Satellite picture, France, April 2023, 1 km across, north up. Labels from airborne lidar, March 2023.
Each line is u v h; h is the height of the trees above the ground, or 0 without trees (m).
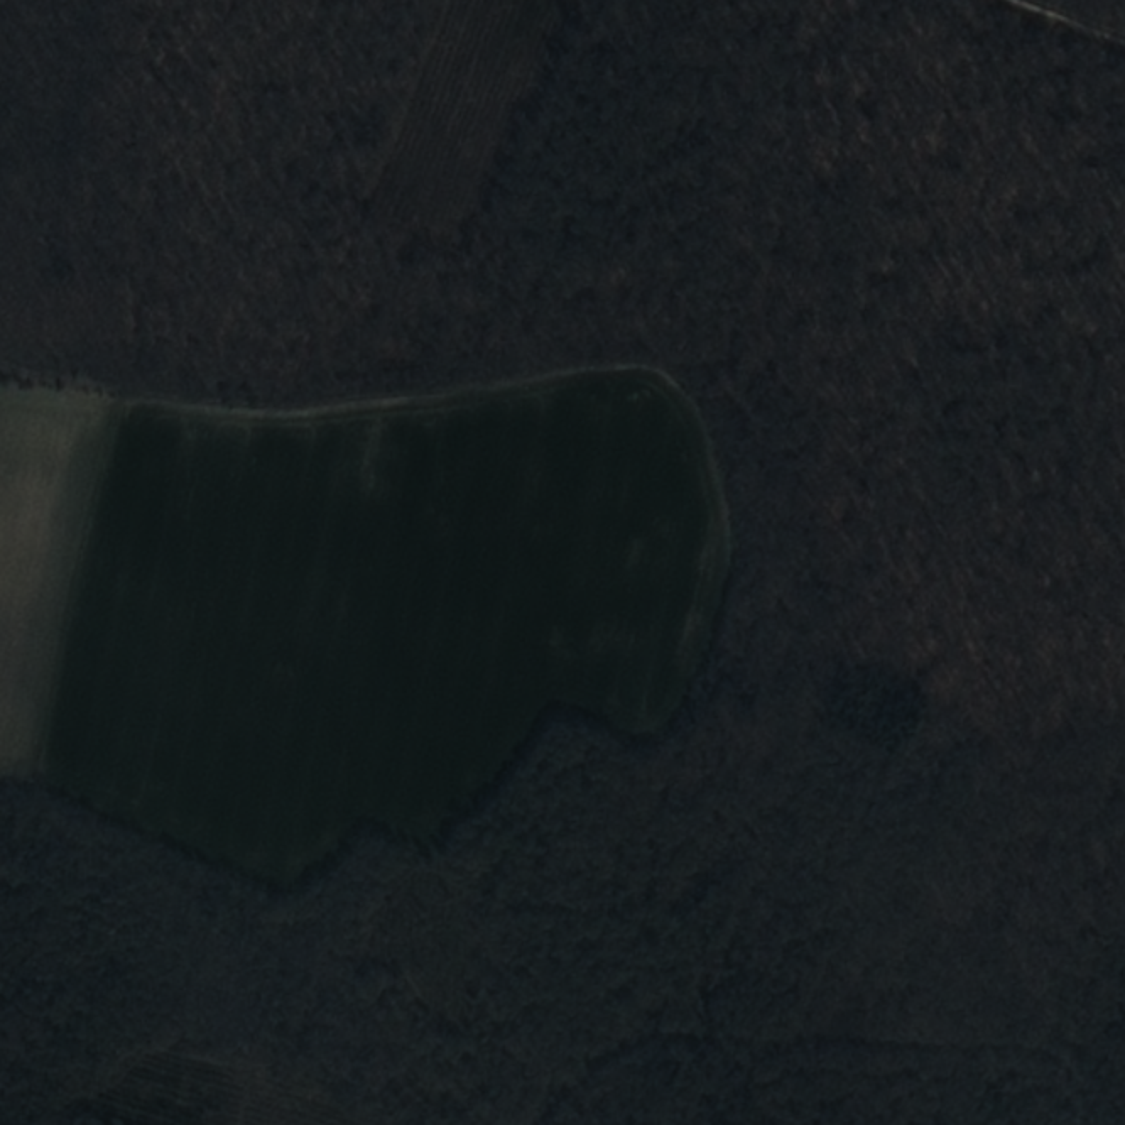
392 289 28
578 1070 24
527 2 0
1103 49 25
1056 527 30
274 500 0
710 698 14
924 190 22
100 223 27
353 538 0
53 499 0
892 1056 21
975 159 27
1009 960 20
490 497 0
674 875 19
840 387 25
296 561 0
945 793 20
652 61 20
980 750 19
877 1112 28
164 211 31
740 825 12
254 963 19
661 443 0
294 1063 21
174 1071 0
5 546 0
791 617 20
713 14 28
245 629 0
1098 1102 17
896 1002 21
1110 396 29
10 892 23
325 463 0
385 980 25
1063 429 24
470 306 23
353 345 23
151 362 18
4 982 23
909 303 24
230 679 0
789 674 20
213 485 0
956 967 20
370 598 0
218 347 22
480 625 0
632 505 0
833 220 22
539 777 22
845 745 20
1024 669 25
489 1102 23
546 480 0
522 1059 24
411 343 22
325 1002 14
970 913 21
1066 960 21
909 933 21
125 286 26
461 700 0
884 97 23
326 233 29
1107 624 26
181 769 0
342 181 18
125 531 0
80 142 28
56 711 0
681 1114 21
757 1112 25
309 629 0
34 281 23
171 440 0
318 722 0
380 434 0
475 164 0
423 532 0
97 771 0
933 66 26
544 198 22
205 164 28
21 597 0
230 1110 0
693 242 24
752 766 21
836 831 18
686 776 22
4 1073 22
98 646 0
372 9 29
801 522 23
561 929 23
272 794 0
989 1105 26
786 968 15
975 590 21
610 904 21
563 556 0
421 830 0
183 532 0
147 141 30
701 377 20
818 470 25
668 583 0
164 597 0
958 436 26
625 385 0
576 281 23
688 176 23
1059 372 27
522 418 0
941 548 29
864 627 21
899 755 15
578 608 0
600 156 18
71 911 24
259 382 20
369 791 0
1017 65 26
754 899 20
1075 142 24
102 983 23
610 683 0
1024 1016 18
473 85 0
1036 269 26
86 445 0
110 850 24
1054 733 25
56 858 26
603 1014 22
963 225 27
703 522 0
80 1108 11
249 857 0
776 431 22
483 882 10
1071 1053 24
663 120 25
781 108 24
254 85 27
